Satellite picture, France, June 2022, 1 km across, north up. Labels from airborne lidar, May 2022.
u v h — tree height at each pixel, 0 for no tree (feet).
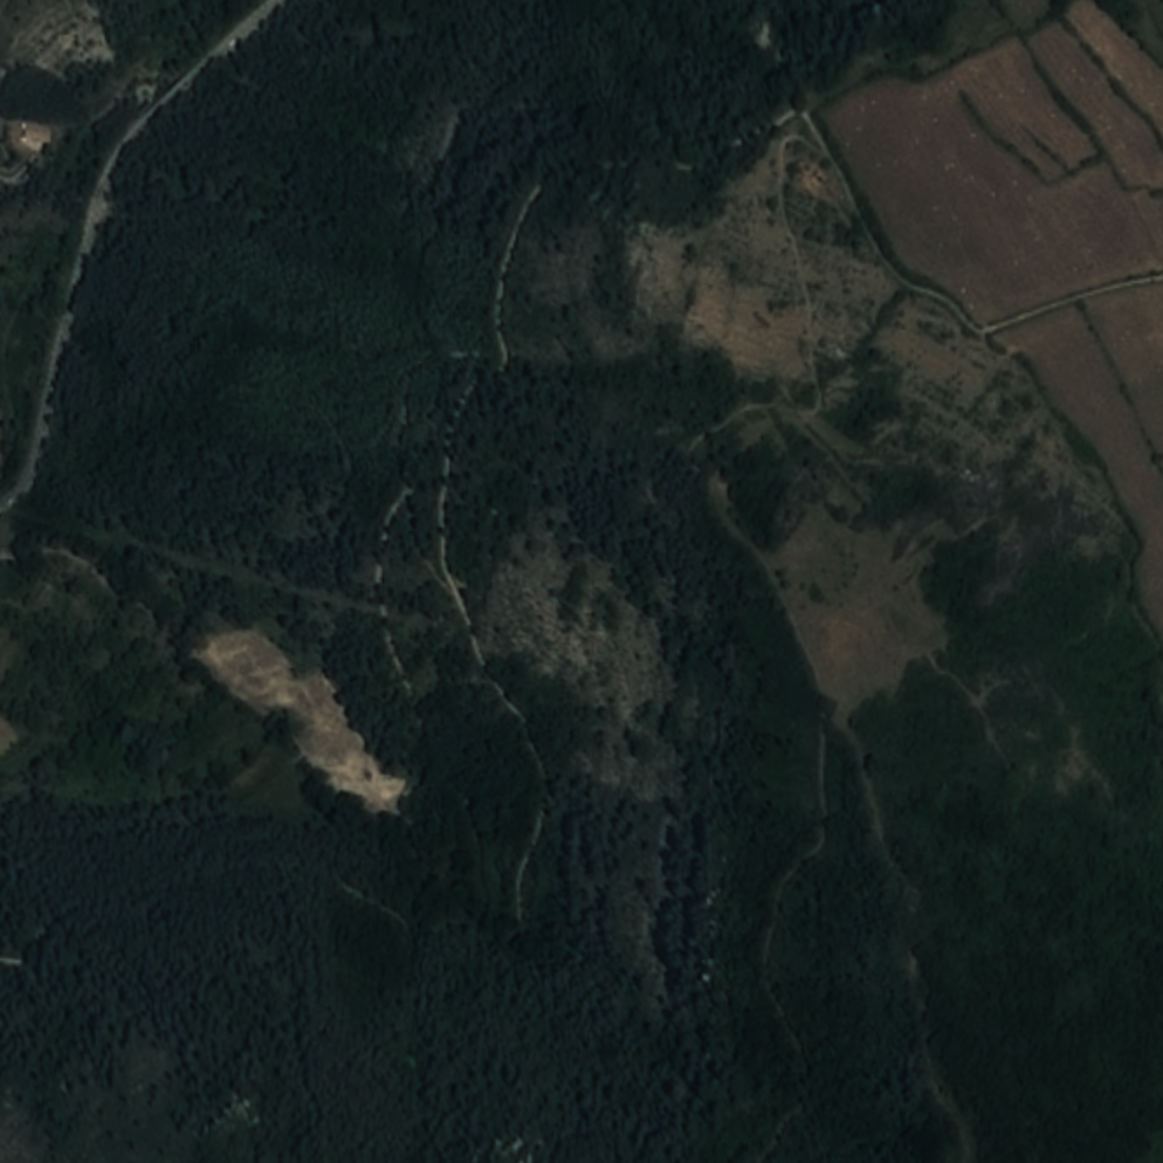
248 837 49
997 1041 37
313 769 39
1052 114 0
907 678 0
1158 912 40
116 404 59
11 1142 0
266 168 52
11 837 34
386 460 40
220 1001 19
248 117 71
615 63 25
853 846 18
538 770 36
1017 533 0
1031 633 0
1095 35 0
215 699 26
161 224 57
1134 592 31
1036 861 27
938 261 0
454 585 0
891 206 0
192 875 63
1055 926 20
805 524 0
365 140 23
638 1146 45
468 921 23
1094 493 0
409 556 29
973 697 0
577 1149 82
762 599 42
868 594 0
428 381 22
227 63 32
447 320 32
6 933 35
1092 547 0
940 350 0
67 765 25
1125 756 18
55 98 38
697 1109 36
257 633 0
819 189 0
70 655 34
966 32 0
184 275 63
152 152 59
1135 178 0
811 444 37
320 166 41
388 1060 64
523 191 52
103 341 35
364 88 22
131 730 73
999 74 0
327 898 29
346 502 31
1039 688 0
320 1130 72
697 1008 87
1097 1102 32
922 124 0
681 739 32
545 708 37
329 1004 72
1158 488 0
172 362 63
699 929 84
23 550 52
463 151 31
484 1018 53
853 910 27
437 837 73
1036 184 0
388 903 36
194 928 73
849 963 21
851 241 19
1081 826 23
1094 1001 21
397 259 24
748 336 0
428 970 60
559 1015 67
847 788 29
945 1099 18
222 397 55
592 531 52
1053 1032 37
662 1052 26
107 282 59
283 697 0
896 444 29
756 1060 44
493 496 35
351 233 30
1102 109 0
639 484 42
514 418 38
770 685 24
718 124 56
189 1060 37
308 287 43
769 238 0
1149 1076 28
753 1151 57
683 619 24
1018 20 0
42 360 19
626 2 57
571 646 0
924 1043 25
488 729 36
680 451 38
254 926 58
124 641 32
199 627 63
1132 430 0
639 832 39
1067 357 0
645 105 68
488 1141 44
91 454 34
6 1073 44
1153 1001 26
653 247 0
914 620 0
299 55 44
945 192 0
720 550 31
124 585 50
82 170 32
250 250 52
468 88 22
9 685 26
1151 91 0
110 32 30
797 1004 30
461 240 47
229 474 59
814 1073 40
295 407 21
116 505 53
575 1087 23
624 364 20
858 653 0
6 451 29
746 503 31
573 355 44
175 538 35
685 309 0
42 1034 27
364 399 19
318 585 35
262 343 41
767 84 26
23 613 26
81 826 54
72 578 31
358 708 53
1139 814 19
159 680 30
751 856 27
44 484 36
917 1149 61
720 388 24
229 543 52
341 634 25
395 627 30
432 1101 72
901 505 18
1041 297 0
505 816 69
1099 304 0
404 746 64
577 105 39
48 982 26
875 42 50
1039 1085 30
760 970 28
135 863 54
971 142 0
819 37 43
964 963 21
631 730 22
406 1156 64
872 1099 23
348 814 76
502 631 36
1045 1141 24
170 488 67
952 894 20
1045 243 0
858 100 0
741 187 0
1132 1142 41
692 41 47
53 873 54
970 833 22
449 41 40
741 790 39
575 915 84
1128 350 0
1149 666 20
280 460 53
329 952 26
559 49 44
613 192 36
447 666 29
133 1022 25
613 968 53
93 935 49
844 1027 26
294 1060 40
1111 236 0
